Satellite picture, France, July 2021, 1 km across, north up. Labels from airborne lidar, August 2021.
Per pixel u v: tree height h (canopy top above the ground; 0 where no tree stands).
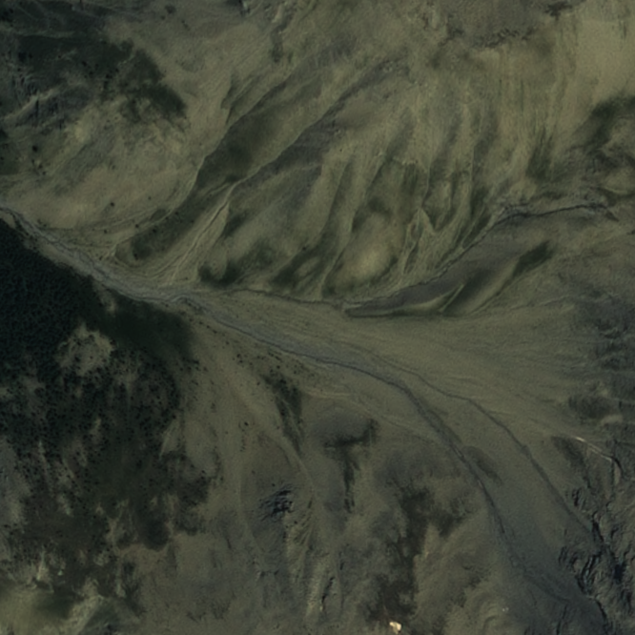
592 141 0
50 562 0
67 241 0
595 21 0
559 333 0
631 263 0
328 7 0
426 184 0
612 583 0
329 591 0
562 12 0
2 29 0
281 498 0
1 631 0
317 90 0
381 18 0
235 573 0
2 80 0
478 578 0
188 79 0
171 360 0
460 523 0
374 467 0
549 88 0
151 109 0
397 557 0
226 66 0
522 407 0
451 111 0
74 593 0
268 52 0
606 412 0
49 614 0
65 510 0
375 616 0
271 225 0
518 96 0
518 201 0
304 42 0
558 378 0
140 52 0
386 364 0
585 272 0
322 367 0
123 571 0
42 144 0
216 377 0
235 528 0
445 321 0
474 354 0
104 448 6
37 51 0
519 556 0
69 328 10
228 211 0
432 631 0
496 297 0
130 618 0
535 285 0
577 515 0
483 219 0
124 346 0
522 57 0
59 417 8
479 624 0
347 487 0
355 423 0
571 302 0
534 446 0
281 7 0
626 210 0
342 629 0
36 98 0
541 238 0
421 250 0
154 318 0
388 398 0
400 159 0
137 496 0
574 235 0
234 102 0
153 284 0
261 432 0
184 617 0
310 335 0
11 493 0
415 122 0
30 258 7
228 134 0
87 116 0
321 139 0
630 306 0
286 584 0
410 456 0
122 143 0
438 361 0
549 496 0
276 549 0
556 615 0
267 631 0
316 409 0
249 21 0
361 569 0
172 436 0
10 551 0
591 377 0
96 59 0
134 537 0
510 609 0
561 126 0
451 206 0
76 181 0
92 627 0
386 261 0
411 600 0
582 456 0
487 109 0
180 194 0
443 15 0
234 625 0
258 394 0
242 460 0
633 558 0
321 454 0
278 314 0
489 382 0
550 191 0
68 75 0
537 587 0
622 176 0
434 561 0
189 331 0
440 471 0
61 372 9
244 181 0
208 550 0
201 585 0
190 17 0
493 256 0
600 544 0
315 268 0
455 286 0
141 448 0
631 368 0
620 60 0
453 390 0
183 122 0
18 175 0
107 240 0
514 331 0
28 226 0
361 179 0
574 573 0
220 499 0
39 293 6
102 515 0
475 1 0
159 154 0
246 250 0
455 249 0
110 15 0
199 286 0
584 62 0
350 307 0
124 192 0
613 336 0
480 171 0
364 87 0
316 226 0
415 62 0
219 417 0
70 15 0
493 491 0
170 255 0
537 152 0
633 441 0
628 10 0
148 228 0
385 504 0
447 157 0
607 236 0
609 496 0
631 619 0
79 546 0
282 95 0
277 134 0
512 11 0
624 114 0
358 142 0
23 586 0
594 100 0
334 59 0
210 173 0
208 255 0
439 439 0
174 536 0
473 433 0
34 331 6
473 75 0
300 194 0
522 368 0
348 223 0
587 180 0
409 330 0
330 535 0
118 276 0
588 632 0
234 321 0
